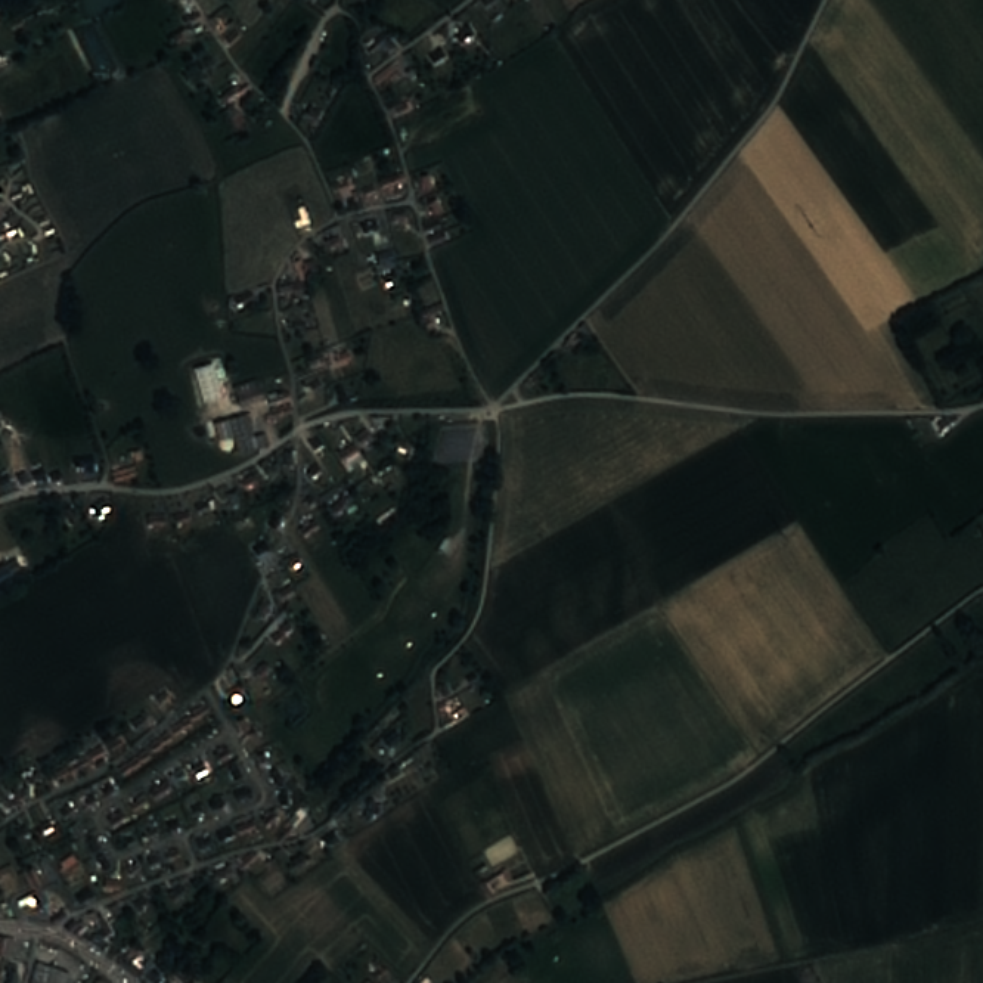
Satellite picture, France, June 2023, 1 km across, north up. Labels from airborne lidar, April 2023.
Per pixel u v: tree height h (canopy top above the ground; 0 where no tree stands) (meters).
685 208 0
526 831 0
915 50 0
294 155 0
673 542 0
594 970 0
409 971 0
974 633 27
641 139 0
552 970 0
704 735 0
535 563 0
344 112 0
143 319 0
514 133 0
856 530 0
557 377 6
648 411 0
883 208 0
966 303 0
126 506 0
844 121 0
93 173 0
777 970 0
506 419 0
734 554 0
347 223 0
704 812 0
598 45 0
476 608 0
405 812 0
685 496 0
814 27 0
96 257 0
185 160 0
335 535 9
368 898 0
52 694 0
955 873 0
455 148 0
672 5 0
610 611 0
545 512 0
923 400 0
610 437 0
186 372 0
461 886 0
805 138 0
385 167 11
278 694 0
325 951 0
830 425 0
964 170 0
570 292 0
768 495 0
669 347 0
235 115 0
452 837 0
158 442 0
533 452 0
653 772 0
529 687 0
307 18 0
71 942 0
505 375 0
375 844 0
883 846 0
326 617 0
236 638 0
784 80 0
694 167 0
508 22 0
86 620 0
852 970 0
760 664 0
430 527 15
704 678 0
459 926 0
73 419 0
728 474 0
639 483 0
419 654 0
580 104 0
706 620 0
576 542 0
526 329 0
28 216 0
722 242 0
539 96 0
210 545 0
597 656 0
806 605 0
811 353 0
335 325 0
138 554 0
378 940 0
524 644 0
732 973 0
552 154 0
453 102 0
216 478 0
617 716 0
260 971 0
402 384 0
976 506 0
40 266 0
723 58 0
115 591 0
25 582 11
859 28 0
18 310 0
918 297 0
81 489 0
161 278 0
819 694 0
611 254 0
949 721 0
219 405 0
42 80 0
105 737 8
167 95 0
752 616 0
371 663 0
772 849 0
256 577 0
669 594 0
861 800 0
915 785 0
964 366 11
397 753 0
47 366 0
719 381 0
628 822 0
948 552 0
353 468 0
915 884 0
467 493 0
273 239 0
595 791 0
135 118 0
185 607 0
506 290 0
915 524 0
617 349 0
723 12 0
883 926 0
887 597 0
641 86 0
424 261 7
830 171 0
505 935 0
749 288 0
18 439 0
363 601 0
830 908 0
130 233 0
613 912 0
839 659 0
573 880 12
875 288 0
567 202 0
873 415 0
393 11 0
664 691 0
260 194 0
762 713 0
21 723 0
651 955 0
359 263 0
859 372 0
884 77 0
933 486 0
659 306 0
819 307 0
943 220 0
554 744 0
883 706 0
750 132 0
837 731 0
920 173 0
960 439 0
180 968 9
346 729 0
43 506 9
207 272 0
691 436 0
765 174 0
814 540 0
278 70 10
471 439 0
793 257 0
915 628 0
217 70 0
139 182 0
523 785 0
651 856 0
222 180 0
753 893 0
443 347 0
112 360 0
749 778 0
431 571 0
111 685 0
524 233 0
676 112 0
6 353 0
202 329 0
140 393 0
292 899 0
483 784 0
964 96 0
